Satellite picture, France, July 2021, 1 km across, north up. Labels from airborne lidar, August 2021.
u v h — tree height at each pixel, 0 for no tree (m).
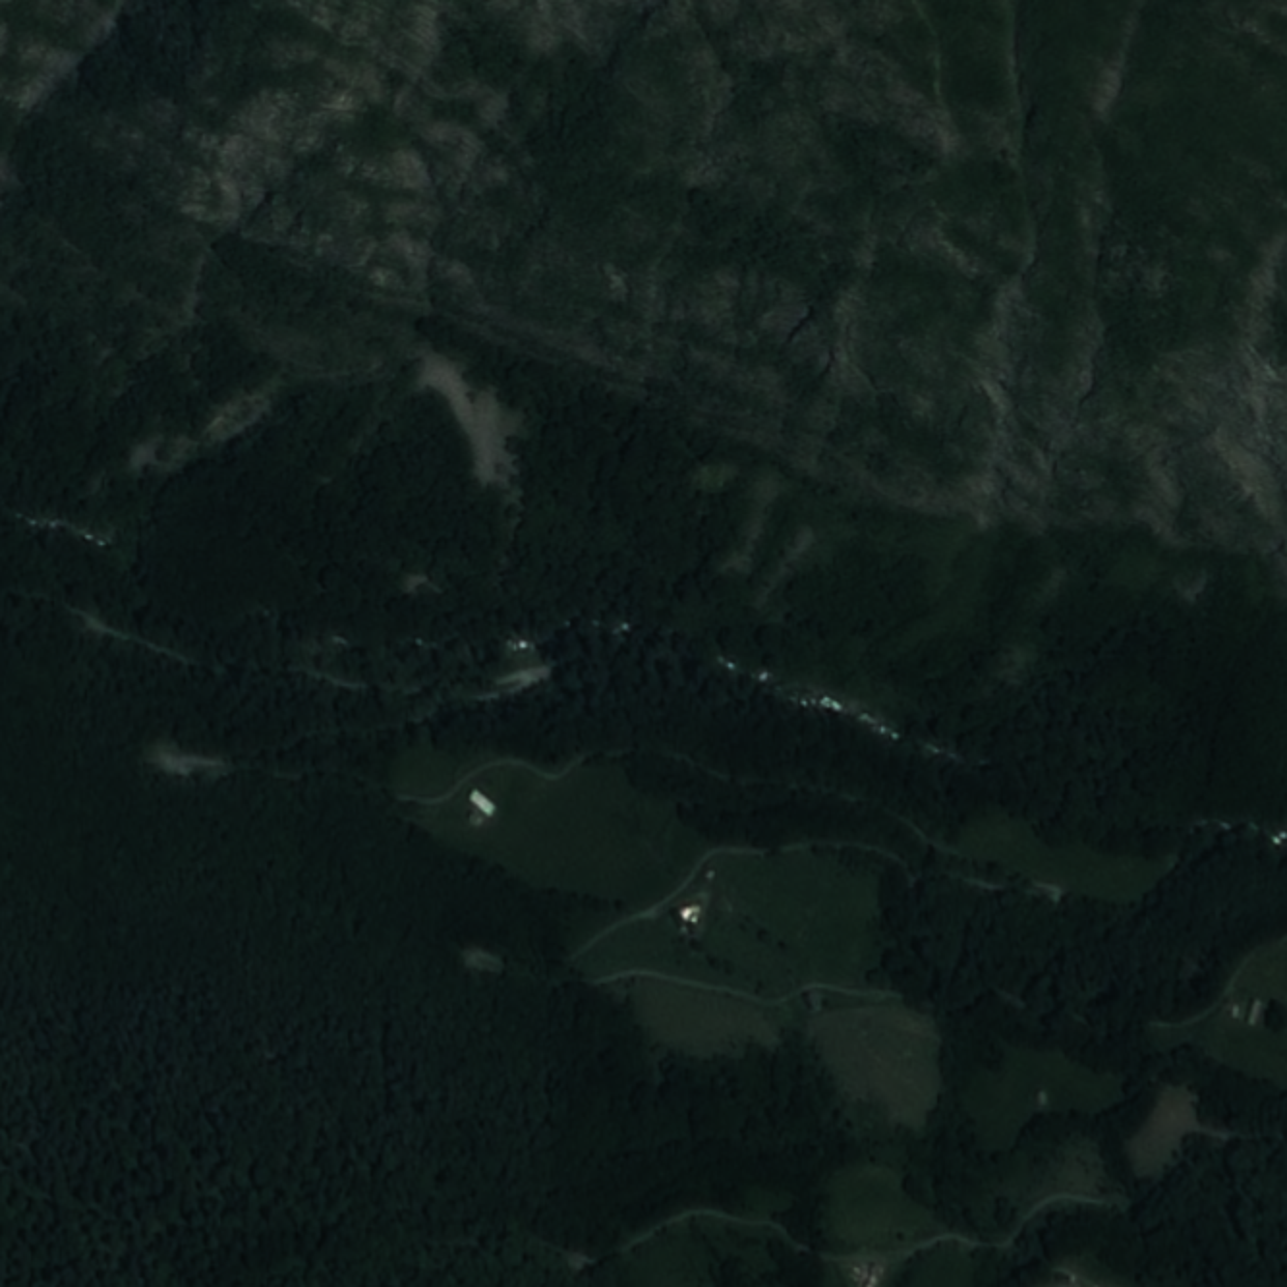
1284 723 6
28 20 7
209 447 7
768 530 6
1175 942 26
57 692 12
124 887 13
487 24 10
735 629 14
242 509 20
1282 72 0
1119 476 7
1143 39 0
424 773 0
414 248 0
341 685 9
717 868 0
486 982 14
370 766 24
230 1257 20
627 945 0
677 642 28
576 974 7
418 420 8
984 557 0
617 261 10
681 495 20
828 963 0
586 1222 27
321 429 7
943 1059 10
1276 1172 27
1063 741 18
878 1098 0
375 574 17
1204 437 0
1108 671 21
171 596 30
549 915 21
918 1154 9
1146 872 0
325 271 7
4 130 12
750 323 7
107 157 9
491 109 0
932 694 8
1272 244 0
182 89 9
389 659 8
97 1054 18
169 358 8
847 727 36
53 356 15
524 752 17
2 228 8
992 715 6
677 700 32
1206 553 7
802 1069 20
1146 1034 17
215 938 17
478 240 8
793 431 6
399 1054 30
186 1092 31
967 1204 8
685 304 6
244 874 18
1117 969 24
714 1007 0
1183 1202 24
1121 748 15
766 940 9
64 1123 28
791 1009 0
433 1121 26
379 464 20
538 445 10
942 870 12
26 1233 31
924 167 7
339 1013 22
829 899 0
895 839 11
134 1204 24
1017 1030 15
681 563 25
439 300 13
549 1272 18
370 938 19
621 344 8
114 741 8
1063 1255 13
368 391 11
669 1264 0
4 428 24
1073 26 0
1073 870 0
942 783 20
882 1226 0
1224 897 19
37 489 19
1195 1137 9
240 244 12
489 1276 22
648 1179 20
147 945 14
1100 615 6
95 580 18
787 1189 9
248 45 6
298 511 22
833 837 10
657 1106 17
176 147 6
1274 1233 29
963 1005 23
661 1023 0
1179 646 12
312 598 12
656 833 0
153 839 17
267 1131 28
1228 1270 27
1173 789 9
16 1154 23
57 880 22
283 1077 24
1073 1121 7
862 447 10
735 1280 10
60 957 25
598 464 9
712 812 18
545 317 8
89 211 13
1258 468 0
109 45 9
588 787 0
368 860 20
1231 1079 19
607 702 32
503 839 0
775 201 5
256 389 13
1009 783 22
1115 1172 8
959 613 0
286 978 19
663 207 7
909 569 6
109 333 11
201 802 21
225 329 11
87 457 9
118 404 11
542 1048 23
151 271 11
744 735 26
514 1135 25
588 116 10
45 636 22
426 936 23
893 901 13
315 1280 13
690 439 17
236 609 29
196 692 24
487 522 22
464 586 21
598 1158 16
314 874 20
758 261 9
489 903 22
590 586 8
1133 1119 22
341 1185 23
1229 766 12
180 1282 10
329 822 12
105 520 8
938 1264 0
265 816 24
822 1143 11
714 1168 14
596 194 6
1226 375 0
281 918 23
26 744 19
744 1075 8
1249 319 0
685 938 8
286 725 23
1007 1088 0
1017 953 27
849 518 6
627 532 14
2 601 27
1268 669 6
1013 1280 8
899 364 6
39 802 24
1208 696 6
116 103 10
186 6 8
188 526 22
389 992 16
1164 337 8
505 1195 21
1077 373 0
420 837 20
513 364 11
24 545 12
